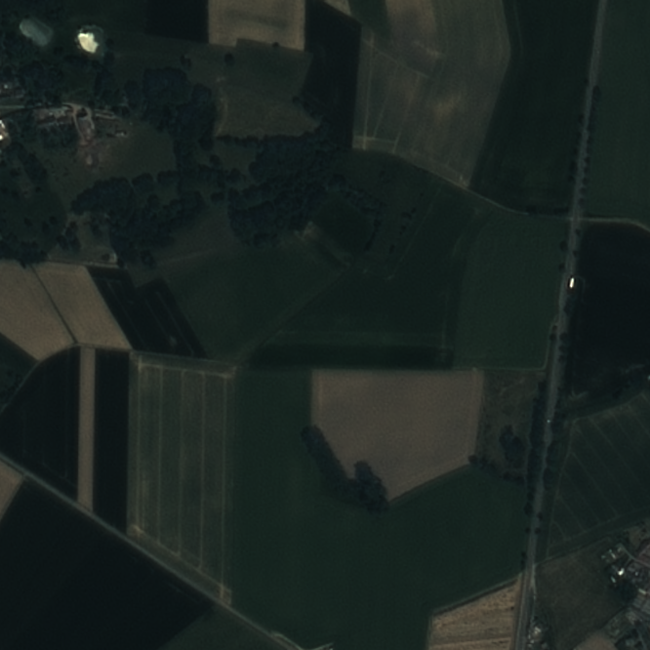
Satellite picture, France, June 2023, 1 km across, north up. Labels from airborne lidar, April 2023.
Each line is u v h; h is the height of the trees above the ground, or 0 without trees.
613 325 0
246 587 0
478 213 0
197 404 0
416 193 0
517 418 0
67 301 0
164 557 0
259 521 0
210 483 0
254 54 0
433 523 0
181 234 0
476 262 0
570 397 0
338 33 0
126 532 0
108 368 0
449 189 0
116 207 23
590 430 0
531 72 0
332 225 0
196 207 25
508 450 23
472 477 0
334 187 11
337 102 0
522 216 0
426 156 0
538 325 0
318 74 0
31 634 0
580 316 0
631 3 0
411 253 0
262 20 0
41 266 0
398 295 0
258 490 0
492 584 0
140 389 0
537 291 0
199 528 0
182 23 0
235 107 0
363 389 0
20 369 0
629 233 0
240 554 0
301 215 21
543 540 0
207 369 0
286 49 0
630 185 0
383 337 0
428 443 0
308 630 0
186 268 0
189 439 0
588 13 0
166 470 0
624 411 0
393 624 0
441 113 0
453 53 0
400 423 0
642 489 0
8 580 0
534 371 0
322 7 0
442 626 0
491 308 0
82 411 0
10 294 0
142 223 29
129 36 0
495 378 0
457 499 0
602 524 0
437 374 0
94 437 0
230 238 0
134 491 0
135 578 0
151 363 0
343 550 0
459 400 0
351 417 0
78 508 0
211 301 0
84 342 0
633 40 0
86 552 0
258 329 0
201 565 0
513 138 0
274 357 0
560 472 0
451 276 0
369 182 0
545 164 0
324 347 0
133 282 0
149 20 0
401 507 0
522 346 0
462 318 0
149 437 0
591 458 0
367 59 0
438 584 0
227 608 0
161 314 0
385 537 0
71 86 0
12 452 0
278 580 0
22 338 0
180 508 0
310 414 0
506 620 0
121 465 0
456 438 0
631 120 0
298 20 0
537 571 0
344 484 34
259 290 0
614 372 0
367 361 0
